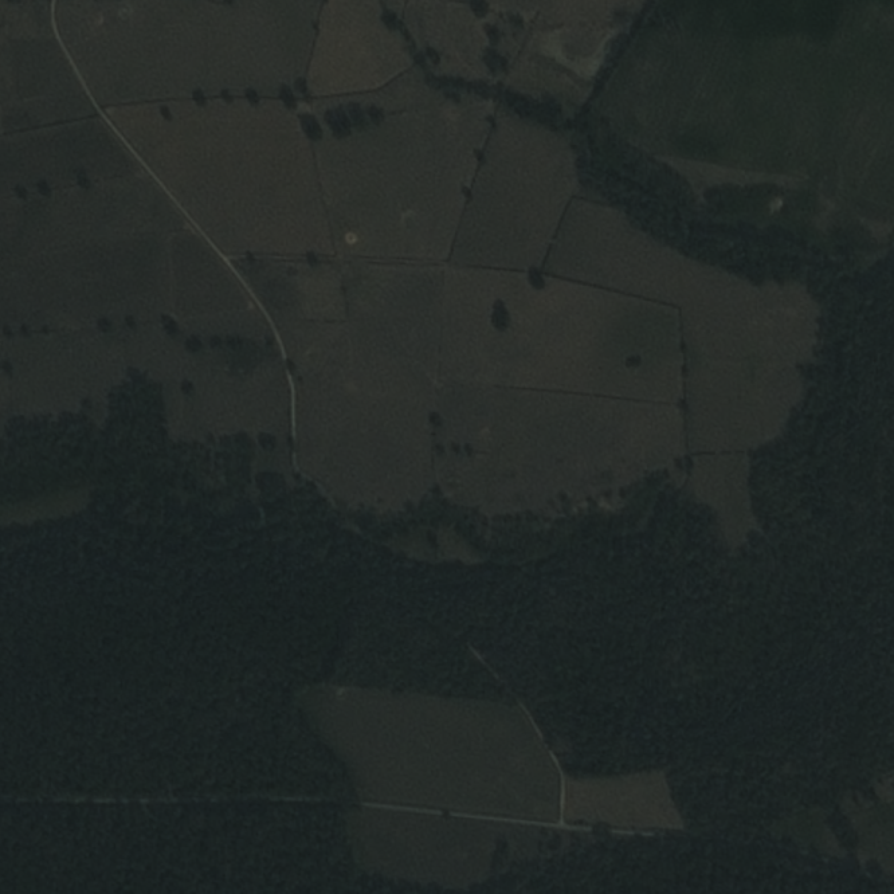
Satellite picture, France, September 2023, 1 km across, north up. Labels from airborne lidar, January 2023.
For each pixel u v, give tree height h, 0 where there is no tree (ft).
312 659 68
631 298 0
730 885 71
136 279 0
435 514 23
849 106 0
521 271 0
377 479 0
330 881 23
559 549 53
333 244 0
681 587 63
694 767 67
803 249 45
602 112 0
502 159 0
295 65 0
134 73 0
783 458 49
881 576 73
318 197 0
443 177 0
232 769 69
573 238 0
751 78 0
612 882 72
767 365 0
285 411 0
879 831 0
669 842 49
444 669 30
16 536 53
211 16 0
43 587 79
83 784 29
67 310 0
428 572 38
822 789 42
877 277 51
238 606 91
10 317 0
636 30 26
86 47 0
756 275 66
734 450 0
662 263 0
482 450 0
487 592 66
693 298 0
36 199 0
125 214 0
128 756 75
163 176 0
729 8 0
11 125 0
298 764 76
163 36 0
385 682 43
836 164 0
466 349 0
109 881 71
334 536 79
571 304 0
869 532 68
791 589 44
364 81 0
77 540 84
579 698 85
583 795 0
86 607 100
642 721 76
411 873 0
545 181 0
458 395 0
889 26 0
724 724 72
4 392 0
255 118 0
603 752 73
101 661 77
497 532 32
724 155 0
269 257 0
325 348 0
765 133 0
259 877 67
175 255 0
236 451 44
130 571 83
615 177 50
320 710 0
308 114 0
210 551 98
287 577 93
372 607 77
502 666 47
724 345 0
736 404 0
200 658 89
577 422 0
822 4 0
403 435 0
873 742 31
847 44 0
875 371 48
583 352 0
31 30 0
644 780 0
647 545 56
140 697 89
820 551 47
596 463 0
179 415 0
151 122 0
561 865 55
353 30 0
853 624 77
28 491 64
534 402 0
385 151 0
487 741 0
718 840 53
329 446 0
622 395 0
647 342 0
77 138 0
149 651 98
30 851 84
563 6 0
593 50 0
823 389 35
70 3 0
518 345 0
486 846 0
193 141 0
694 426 0
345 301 0
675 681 42
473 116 0
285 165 0
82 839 74
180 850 74
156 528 70
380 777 0
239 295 0
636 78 0
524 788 0
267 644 83
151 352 0
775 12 0
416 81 0
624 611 73
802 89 0
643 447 0
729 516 0
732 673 56
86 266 0
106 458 50
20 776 62
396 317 0
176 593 89
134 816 60
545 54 0
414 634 68
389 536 41
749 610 31
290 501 51
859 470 34
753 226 0
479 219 0
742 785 54
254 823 87
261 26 0
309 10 0
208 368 0
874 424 47
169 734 76
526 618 47
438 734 0
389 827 0
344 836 51
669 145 0
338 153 0
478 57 0
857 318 72
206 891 37
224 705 50
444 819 21
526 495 0
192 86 0
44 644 83
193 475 26
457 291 0
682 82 0
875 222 0
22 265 0
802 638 72
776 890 91
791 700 45
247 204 0
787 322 0
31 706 92
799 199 0
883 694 60
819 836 0
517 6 0
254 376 0
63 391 0
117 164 0
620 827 0
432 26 0
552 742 32
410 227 0
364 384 0
